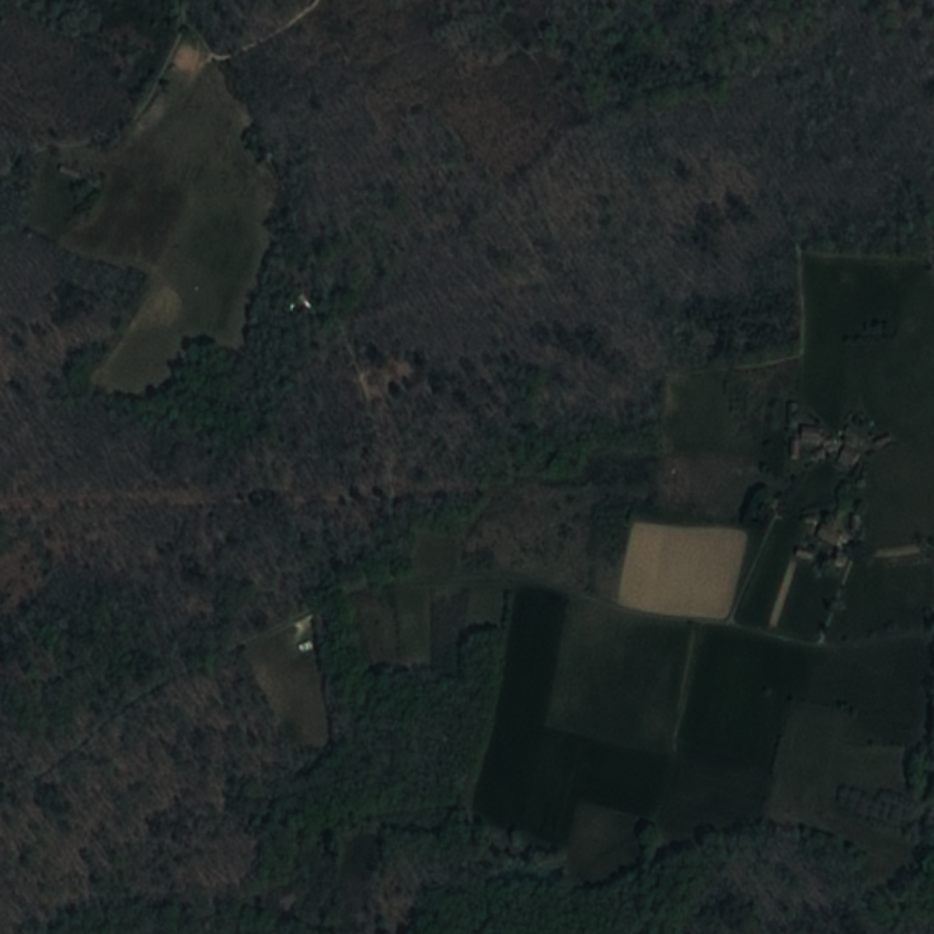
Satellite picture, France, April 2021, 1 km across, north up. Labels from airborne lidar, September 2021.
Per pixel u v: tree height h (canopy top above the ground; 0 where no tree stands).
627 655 0
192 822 13
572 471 21
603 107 17
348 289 17
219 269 0
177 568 15
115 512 16
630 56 23
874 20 21
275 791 15
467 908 26
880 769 0
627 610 0
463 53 14
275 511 26
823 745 0
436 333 18
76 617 17
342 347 22
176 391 18
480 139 7
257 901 8
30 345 20
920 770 20
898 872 0
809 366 0
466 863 23
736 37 25
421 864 19
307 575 14
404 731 22
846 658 0
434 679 22
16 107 8
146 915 16
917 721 0
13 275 17
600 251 17
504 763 0
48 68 5
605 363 25
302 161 12
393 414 18
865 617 0
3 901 17
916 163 18
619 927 22
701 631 0
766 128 16
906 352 0
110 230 0
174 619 17
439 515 19
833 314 0
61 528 13
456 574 0
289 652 0
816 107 17
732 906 28
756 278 17
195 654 17
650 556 0
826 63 14
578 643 0
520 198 23
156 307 0
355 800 26
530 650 0
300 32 11
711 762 0
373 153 19
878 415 0
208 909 16
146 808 18
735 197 23
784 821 0
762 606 0
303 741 0
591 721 0
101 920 19
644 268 20
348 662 26
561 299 18
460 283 20
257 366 15
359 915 0
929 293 0
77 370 23
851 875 22
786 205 24
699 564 0
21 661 25
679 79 25
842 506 12
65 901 19
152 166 0
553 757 0
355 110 18
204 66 0
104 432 15
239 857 18
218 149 0
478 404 17
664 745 0
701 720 0
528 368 16
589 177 20
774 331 11
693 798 0
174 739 10
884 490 0
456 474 18
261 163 13
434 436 21
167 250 0
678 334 17
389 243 18
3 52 6
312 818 22
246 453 19
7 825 19
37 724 19
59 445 14
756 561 0
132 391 0
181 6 16
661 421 8
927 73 19
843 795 10
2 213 17
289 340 18
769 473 9
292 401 21
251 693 20
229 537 15
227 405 13
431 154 18
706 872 22
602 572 0
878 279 0
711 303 18
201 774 15
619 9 17
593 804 0
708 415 0
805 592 0
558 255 21
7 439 18
